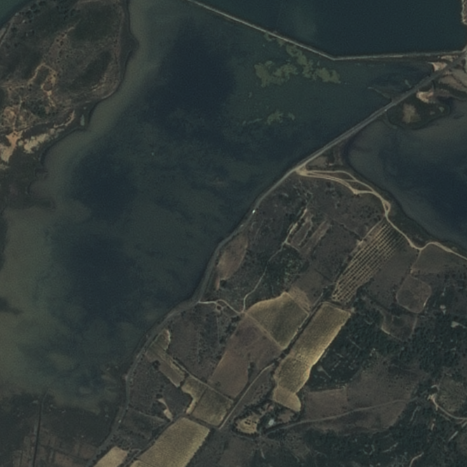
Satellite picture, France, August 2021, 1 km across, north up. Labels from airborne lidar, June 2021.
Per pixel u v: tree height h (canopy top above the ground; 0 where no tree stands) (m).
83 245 0
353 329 8
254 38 0
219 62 0
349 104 0
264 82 0
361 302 9
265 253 0
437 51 0
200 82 0
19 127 0
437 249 0
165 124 0
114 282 0
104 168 0
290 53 0
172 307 0
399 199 0
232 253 0
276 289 0
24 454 0
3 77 0
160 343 0
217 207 0
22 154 0
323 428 0
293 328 0
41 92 0
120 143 0
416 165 0
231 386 0
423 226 0
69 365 0
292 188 0
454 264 0
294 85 0
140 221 0
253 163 0
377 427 0
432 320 6
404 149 0
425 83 0
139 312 0
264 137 0
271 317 0
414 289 0
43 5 10
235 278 0
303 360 0
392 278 0
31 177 0
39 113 6
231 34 0
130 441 0
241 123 0
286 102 0
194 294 0
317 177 0
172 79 0
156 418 0
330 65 0
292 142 0
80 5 0
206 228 0
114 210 0
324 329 0
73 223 0
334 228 0
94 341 0
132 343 0
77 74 0
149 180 0
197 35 0
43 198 0
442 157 0
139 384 0
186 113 0
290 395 0
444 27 0
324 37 0
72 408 0
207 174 0
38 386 0
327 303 0
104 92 0
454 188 0
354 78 0
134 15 0
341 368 0
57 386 0
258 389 0
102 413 0
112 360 0
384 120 0
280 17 0
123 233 0
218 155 0
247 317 0
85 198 0
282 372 0
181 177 0
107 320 0
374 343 8
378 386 0
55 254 0
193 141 0
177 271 0
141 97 0
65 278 0
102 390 0
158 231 0
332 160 0
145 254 0
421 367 8
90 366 0
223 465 0
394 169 0
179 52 0
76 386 0
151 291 0
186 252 0
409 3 0
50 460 0
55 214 0
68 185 0
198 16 0
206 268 0
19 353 0
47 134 0
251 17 0
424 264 0
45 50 0
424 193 0
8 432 0
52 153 0
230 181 0
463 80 0
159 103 0
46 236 0
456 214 0
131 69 0
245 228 0
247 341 0
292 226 0
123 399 0
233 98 0
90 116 0
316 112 0
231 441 0
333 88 0
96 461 7
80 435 0
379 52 0
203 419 0
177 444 0
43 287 0
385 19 0
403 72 0
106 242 0
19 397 0
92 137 0
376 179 0
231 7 0
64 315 0
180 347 0
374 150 0
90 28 0
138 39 0
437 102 0
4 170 0
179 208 0
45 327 0
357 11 0
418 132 0
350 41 0
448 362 8
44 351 0
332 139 0
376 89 0
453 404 0
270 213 0
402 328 0
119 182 0
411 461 0
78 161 0
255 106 0
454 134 0
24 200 0
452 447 10
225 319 0
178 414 0
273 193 0
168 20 0
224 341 7
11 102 0
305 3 0
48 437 0
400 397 0
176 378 0
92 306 0
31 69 0
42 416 0
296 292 0
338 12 0
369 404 0
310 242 0
